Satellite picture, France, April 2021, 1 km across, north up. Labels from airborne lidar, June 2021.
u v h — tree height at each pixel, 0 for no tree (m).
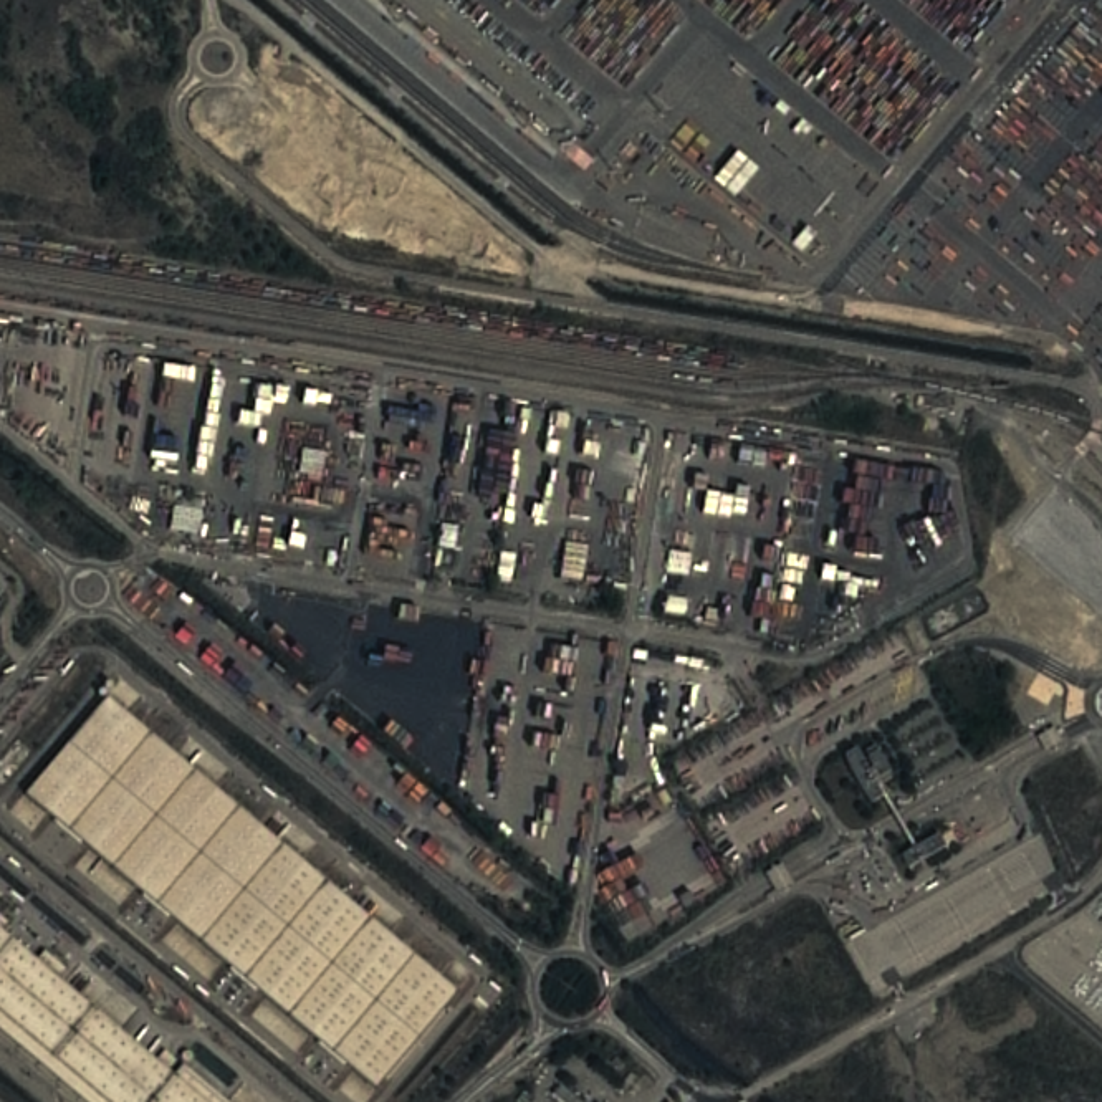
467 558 0
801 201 0
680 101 0
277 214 0
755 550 0
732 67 0
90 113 9
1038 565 0
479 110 0
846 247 0
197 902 0
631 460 0
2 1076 0
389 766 0
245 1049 0
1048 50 0
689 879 0
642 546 0
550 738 0
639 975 0
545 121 0
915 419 9
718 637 0
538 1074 0
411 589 0
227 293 0
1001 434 0
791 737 0
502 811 0
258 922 0
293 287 0
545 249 0
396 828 0
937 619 0
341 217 0
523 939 9
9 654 0
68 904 0
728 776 0
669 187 0
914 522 0
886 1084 0
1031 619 0
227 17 0
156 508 0
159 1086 0
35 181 0
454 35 0
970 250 0
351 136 0
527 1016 6
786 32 0
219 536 0
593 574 0
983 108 0
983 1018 0
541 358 0
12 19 6
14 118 0
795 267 0
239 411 0
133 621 0
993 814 0
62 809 0
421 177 0
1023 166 0
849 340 0
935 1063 0
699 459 0
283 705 0
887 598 0
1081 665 0
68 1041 0
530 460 0
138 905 0
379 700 0
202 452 0
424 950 0
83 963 0
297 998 0
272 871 0
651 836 0
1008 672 13
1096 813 0
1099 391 0
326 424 0
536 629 0
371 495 0
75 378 0
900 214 0
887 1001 0
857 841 0
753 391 0
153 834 0
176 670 0
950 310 0
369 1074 0
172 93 0
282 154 0
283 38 0
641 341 0
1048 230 0
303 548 0
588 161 0
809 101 0
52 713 0
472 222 0
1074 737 0
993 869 0
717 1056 0
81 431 0
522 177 0
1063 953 0
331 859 0
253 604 0
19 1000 0
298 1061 0
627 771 0
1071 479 0
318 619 0
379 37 0
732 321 0
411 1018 0
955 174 0
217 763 0
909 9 0
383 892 0
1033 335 0
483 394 0
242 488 0
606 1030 0
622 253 0
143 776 0
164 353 0
